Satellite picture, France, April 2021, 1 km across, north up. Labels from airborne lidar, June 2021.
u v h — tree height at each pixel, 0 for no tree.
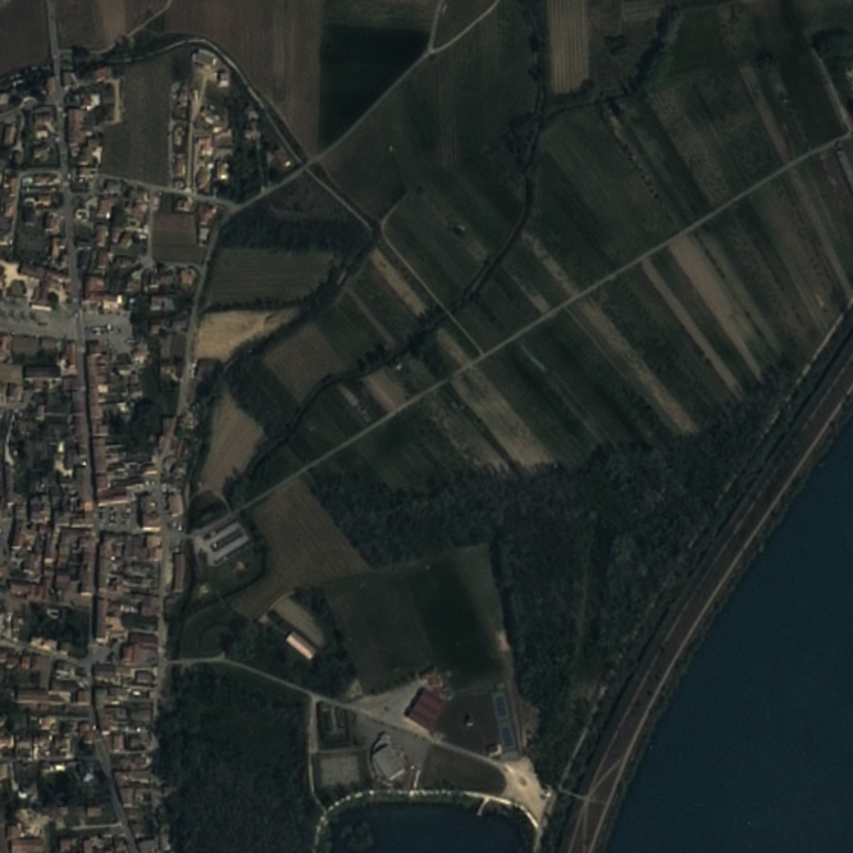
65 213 0
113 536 0
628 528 11
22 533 0
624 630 14
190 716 19
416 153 0
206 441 18
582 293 0
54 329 0
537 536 25
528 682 17
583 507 29
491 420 0
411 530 7
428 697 0
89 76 16
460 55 0
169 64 0
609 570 32
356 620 0
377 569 17
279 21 0
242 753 9
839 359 0
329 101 0
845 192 0
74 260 0
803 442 11
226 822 32
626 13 0
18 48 0
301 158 11
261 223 11
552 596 24
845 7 0
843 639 0
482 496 29
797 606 0
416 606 0
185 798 21
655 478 29
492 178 0
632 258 0
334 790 0
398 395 0
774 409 27
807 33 0
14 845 0
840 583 0
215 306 7
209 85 0
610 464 28
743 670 0
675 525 31
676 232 0
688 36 0
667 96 0
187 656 0
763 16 0
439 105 0
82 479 0
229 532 0
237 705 12
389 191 0
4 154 11
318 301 12
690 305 0
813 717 0
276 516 0
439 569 0
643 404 9
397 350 0
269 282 0
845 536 0
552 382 0
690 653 7
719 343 0
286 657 22
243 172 5
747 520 11
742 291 0
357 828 9
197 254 0
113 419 9
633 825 0
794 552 0
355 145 0
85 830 0
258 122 7
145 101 0
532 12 20
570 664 14
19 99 8
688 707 0
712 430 9
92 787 9
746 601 0
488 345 0
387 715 0
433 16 0
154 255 0
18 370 0
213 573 0
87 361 0
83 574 0
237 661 12
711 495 9
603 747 0
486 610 0
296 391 0
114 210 6
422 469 0
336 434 0
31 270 0
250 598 0
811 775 0
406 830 0
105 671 0
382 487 7
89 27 0
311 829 32
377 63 0
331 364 0
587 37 0
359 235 15
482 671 0
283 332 16
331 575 0
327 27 0
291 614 0
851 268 0
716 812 0
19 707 6
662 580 30
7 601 0
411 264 0
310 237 16
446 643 0
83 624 6
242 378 8
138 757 0
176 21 0
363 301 0
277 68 0
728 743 0
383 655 0
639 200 0
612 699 6
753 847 0
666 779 0
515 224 0
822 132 0
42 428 8
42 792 8
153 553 0
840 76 10
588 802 0
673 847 0
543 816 0
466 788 0
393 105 0
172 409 0
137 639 0
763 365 0
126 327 0
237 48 0
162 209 0
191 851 32
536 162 8
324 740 6
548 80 19
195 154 0
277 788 22
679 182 0
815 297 0
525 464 0
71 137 0
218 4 0
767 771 0
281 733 0
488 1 0
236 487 19
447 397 0
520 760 0
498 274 6
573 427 0
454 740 0
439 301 0
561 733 17
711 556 0
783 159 0
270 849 30
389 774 0
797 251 0
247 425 0
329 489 11
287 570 0
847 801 0
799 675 0
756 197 0
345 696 26
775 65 20
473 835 0
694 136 0
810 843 0
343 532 10
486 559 0
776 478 8
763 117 0
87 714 0
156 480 0
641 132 0
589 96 15
